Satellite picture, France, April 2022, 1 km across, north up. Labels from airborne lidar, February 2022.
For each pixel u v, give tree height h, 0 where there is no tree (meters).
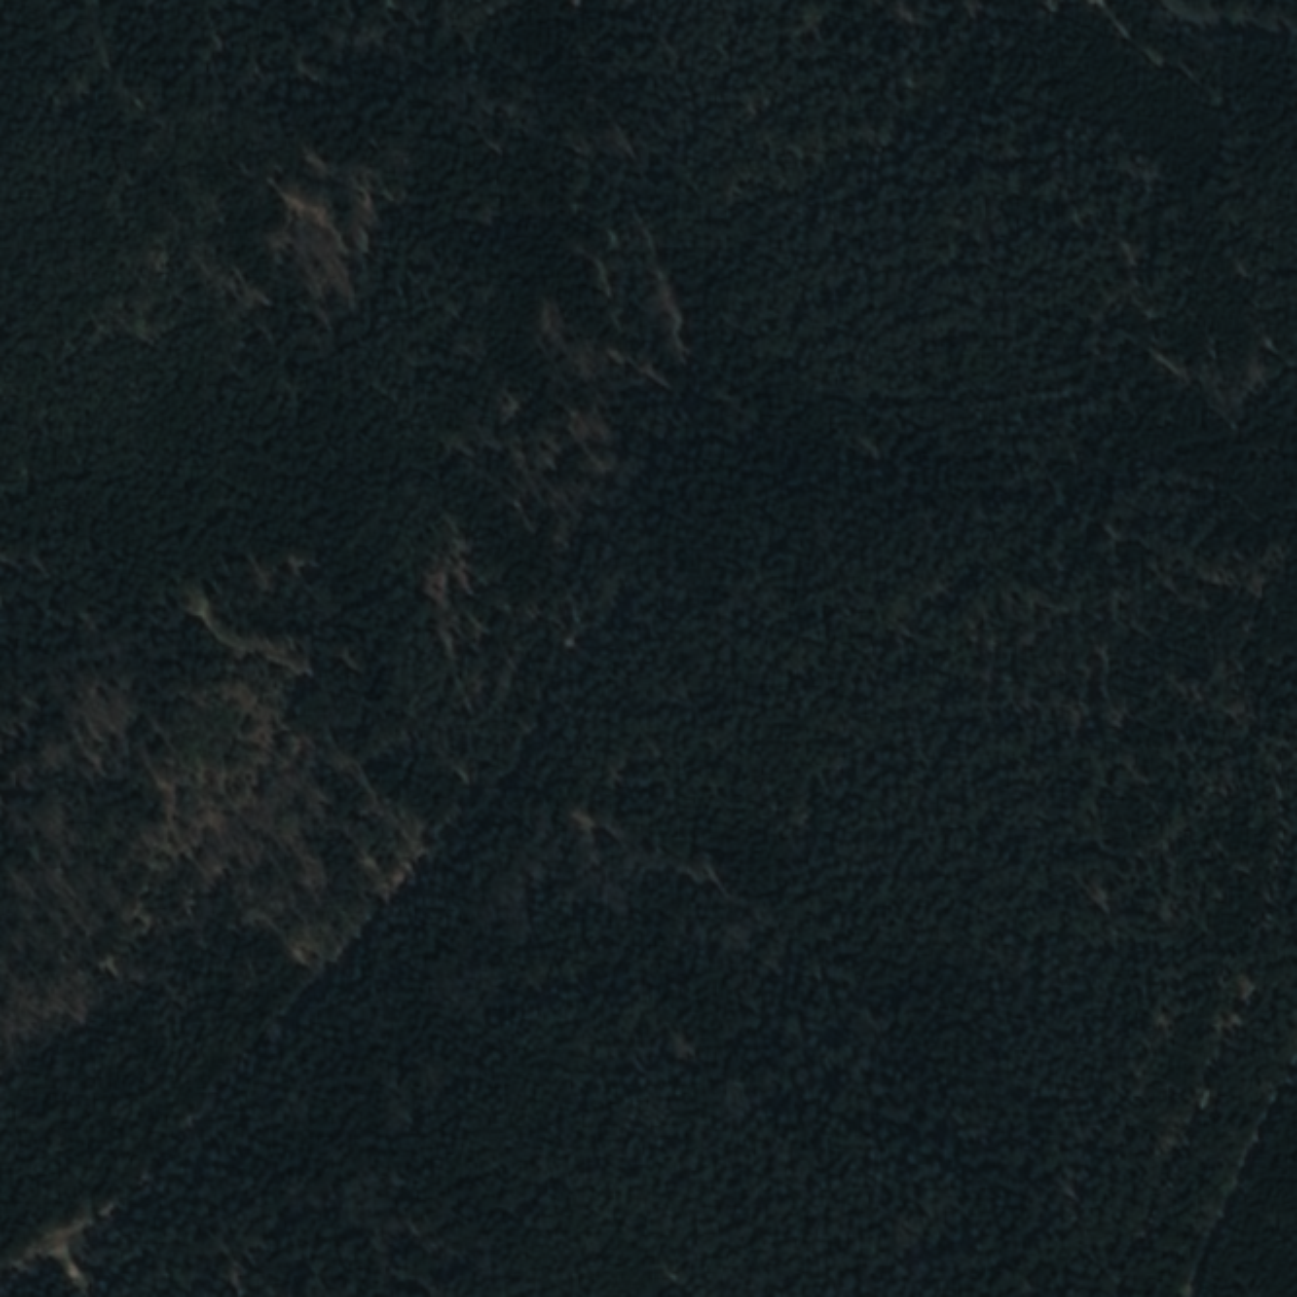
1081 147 13
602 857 28
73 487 30
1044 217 21
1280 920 26
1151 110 17
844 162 17
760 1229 21
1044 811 26
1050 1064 29
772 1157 28
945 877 28
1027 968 33
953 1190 35
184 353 24
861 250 20
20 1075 16
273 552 27
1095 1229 33
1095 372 20
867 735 33
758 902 30
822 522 29
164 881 10
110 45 22
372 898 12
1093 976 16
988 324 31
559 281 25
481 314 25
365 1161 25
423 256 32
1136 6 23
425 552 23
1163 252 10
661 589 29
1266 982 34
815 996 33
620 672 27
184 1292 21
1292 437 15
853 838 30
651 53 28
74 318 25
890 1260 28
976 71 13
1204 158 16
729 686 26
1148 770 9
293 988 24
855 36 15
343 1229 25
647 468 24
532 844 28
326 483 29
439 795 27
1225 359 18
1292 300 27
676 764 24
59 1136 22
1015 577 9
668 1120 29
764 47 26
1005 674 10
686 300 22
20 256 27
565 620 13
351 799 29
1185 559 31
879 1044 24
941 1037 27
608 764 28
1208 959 13
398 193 32
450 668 29
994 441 26
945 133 9
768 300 30
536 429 18
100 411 31
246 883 18
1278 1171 21
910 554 30
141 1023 22
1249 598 11
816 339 26
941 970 24
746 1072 24
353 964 15
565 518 18
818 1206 26
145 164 18
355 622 33
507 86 24
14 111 21
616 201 26
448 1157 25
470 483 22
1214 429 16
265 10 26
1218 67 22
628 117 11
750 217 18
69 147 29
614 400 24
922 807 30
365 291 24
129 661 25
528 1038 25
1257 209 28
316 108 27
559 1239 21
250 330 22
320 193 25
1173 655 10
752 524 27
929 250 27
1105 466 26
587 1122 24
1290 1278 22
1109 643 9
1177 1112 11
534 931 22
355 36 14
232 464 27
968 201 26
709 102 31
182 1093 22
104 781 22
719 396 32
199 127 26
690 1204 25
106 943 14
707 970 33
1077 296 29
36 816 24
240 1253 18
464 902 24
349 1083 26
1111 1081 28
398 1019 27
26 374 26
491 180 22
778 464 23
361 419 28
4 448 29
